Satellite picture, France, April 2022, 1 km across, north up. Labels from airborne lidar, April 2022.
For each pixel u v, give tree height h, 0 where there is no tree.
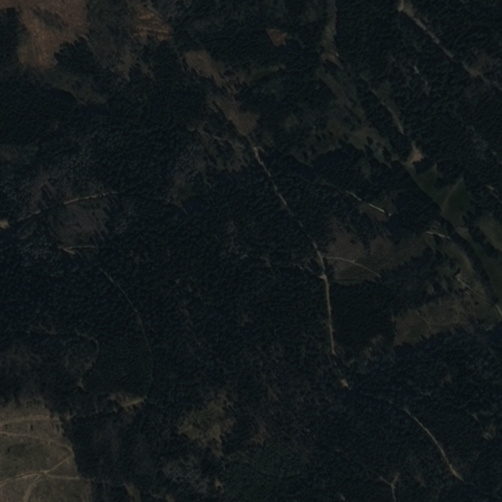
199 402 23
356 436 30
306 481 9
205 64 0
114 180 22
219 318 30
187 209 0
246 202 29
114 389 20
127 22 22
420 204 33
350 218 33
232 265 32
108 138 31
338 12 0
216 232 32
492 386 8
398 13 32
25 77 24
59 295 31
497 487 24
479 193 31
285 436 7
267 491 12
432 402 17
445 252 0
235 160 37
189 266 30
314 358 37
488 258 0
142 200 25
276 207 28
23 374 14
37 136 27
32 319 31
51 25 20
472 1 23
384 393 25
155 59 24
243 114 0
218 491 6
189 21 20
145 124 25
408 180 31
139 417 16
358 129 22
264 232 34
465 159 23
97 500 20
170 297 32
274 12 24
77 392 22
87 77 20
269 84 22
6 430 0
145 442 25
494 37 26
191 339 34
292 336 32
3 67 26
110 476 24
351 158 27
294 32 24
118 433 24
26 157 21
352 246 0
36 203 29
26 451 0
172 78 22
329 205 29
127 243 32
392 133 35
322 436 31
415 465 28
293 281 29
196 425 6
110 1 24
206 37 24
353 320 16
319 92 29
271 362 33
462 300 9
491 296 12
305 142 22
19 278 26
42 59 0
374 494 21
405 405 32
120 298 29
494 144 23
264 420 27
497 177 24
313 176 33
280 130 29
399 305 23
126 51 24
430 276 30
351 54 32
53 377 12
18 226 9
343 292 14
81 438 26
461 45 31
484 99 26
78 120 31
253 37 30
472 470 17
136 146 35
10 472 0
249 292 30
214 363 29
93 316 29
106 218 34
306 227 31
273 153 17
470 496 26
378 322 15
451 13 27
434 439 10
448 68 29
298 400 33
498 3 16
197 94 27
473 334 26
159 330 30
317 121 18
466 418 21
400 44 31
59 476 0
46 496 0
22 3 0
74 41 0
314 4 18
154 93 25
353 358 35
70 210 0
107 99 17
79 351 14
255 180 26
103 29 25
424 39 30
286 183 32
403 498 19
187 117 27
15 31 25
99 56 24
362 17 35
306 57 26
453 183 17
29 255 33
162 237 30
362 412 28
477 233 27
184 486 29
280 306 31
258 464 14
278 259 35
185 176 34
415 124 16
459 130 31
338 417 30
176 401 25
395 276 28
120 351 18
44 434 0
